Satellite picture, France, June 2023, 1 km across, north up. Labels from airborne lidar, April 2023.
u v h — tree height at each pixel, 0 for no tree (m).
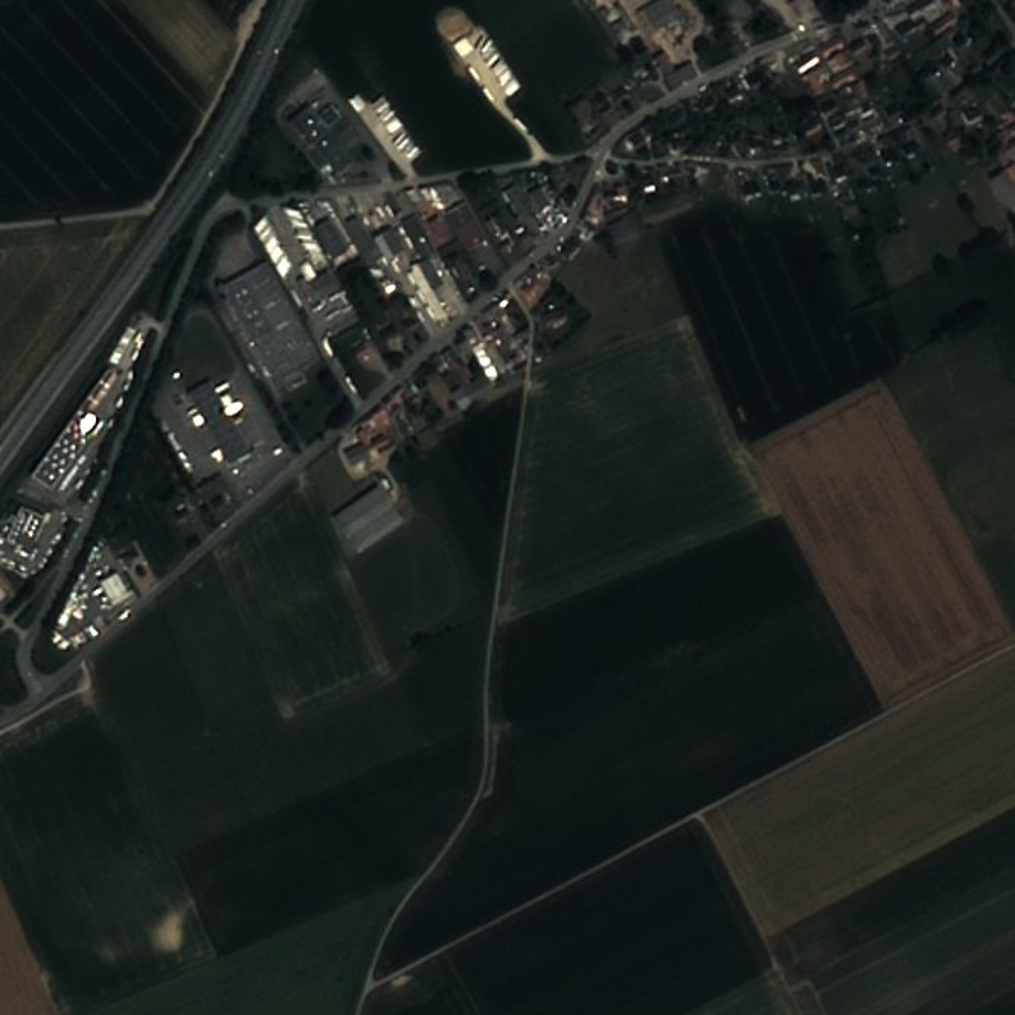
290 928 0
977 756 0
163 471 0
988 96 0
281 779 0
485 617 0
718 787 0
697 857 0
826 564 0
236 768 0
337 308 0
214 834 0
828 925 0
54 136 0
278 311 0
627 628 0
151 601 0
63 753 0
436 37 0
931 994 0
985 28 11
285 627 0
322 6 0
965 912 0
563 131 0
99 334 0
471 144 0
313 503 0
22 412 0
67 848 0
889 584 0
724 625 0
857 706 0
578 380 0
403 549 0
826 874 0
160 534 0
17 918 0
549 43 0
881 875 0
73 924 0
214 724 0
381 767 0
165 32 0
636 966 0
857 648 0
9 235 0
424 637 12
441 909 0
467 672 0
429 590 0
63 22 0
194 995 0
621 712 0
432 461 0
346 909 0
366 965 0
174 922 0
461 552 0
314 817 0
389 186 0
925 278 0
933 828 0
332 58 0
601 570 0
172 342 8
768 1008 0
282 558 0
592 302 0
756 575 0
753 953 0
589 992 0
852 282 0
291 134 0
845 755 0
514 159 0
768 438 0
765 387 0
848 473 0
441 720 0
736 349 0
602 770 0
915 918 0
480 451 0
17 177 0
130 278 0
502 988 0
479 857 0
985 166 0
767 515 0
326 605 0
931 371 0
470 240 0
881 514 0
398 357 7
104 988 0
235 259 0
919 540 0
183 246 7
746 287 0
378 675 0
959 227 0
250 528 0
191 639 0
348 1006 0
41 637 0
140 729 0
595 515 0
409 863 0
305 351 0
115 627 0
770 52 0
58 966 0
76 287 0
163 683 0
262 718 0
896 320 0
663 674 0
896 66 0
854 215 0
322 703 0
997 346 0
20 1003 0
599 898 0
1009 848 0
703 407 0
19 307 0
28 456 0
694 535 0
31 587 11
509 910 0
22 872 0
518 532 0
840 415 0
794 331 0
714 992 0
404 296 6
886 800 0
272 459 0
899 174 0
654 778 0
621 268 0
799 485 0
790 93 0
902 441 0
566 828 0
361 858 0
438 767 0
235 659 0
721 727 0
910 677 0
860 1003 0
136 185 0
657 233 0
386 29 0
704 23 0
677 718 0
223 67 0
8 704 0
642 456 0
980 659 0
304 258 0
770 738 0
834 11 21
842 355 0
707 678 0
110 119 0
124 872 0
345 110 0
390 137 0
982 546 0
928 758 0
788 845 0
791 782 0
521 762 0
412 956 0
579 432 0
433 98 0
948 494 0
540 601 0
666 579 0
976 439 0
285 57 7
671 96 0
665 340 0
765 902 0
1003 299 0
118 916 0
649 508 0
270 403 8
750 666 0
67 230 0
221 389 0
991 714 0
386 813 0
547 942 0
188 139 0
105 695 0
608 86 0
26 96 0
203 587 0
